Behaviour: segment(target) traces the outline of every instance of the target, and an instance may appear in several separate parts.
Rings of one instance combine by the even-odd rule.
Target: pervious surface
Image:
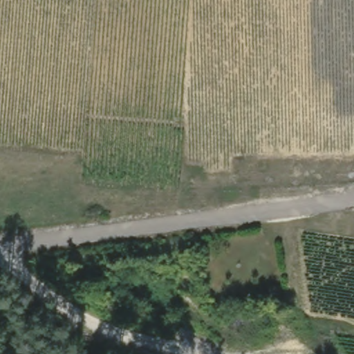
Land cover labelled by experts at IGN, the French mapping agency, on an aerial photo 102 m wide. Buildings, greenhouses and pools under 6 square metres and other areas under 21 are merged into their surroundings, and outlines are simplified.
[[[274,344],[268,344],[246,354],[313,354],[313,350],[296,340],[293,330],[285,325],[279,325],[279,330],[274,336]]]
[[[129,348],[134,353],[148,351],[151,354],[241,354],[234,353],[227,344],[223,344],[221,350],[212,340],[196,333],[194,347],[188,347],[180,342],[180,335],[167,342],[162,337],[144,336],[142,333],[131,335],[129,330],[122,328],[109,329],[105,319],[100,321],[87,313],[77,315],[77,308],[65,303],[62,296],[57,295],[53,289],[48,289],[44,282],[39,281],[24,267],[19,271],[12,268],[14,277],[17,278],[18,286],[25,290],[30,288],[32,296],[43,300],[48,308],[53,307],[55,317],[68,325],[77,337],[77,343],[87,344],[87,347],[98,344],[105,346],[109,343]]]

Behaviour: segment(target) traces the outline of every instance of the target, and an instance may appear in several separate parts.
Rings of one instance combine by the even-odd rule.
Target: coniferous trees
[[[105,346],[98,344],[87,347],[87,344],[77,343],[77,337],[68,325],[55,317],[53,307],[48,308],[43,300],[32,296],[30,288],[25,290],[18,286],[17,278],[14,277],[6,278],[0,272],[0,354],[151,354],[148,351],[134,353],[129,348],[109,343]]]

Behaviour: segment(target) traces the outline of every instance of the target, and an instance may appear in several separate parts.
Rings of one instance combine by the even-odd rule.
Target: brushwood
[[[223,344],[227,344],[234,353],[241,354],[246,354],[268,344],[274,344],[274,336],[279,330],[279,325],[277,319],[271,318],[270,314],[265,315],[260,322],[243,322],[241,314],[236,315],[236,318],[224,315],[223,318],[218,318],[214,308],[214,299],[209,295],[209,290],[213,289],[210,283],[210,254],[217,256],[221,248],[228,248],[230,238],[235,232],[238,232],[238,235],[254,234],[259,231],[261,223],[252,221],[234,227],[210,227],[203,230],[188,228],[152,236],[116,236],[77,245],[72,239],[68,239],[66,246],[40,246],[36,252],[25,252],[22,254],[24,267],[39,281],[44,282],[48,289],[53,289],[57,295],[62,296],[65,303],[77,308],[77,315],[87,313],[100,321],[105,319],[109,329],[122,328],[129,330],[131,335],[142,333],[144,336],[162,337],[167,342],[180,335],[180,342],[188,347],[194,347],[196,333],[212,340],[221,350]]]
[[[282,288],[288,289],[285,248],[282,236],[277,236],[274,243],[278,274],[275,277]]]

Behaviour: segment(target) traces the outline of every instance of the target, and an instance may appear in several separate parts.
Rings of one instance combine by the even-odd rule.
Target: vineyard
[[[339,337],[333,347],[336,348],[337,354],[354,354],[354,335],[336,335]]]
[[[232,160],[249,153],[257,153],[257,156],[263,159],[315,156],[318,159],[342,160],[346,156],[354,156],[354,0],[0,0],[0,144],[32,145],[50,148],[53,151],[84,149],[84,155],[75,160],[76,165],[83,167],[84,185],[100,191],[123,191],[127,195],[136,189],[148,191],[152,184],[156,183],[160,184],[160,189],[165,189],[166,185],[177,188],[180,184],[181,163],[185,158],[202,160],[202,167],[206,173],[218,173],[234,170]]]
[[[303,308],[304,313],[308,317],[335,319],[354,325],[354,239],[317,234],[314,231],[304,231],[301,235],[310,297],[310,304]]]

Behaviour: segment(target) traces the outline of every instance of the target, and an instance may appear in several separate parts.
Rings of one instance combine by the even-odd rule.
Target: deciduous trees
[[[218,318],[223,318],[224,315],[236,318],[236,315],[241,314],[243,322],[260,322],[265,315],[270,314],[271,318],[277,319],[279,325],[285,325],[286,318],[292,317],[293,311],[278,300],[227,300],[220,307],[214,308]]]

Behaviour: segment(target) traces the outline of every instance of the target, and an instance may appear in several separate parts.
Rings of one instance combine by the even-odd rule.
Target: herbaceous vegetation
[[[303,308],[310,304],[310,297],[301,235],[304,231],[314,231],[317,234],[354,239],[354,206],[283,223],[261,223],[259,231],[254,234],[238,235],[238,232],[235,232],[230,238],[228,248],[221,248],[217,256],[210,254],[210,283],[213,289],[209,290],[209,295],[214,299],[214,308],[220,307],[227,300],[278,300],[293,311],[292,317],[286,318],[285,325],[293,330],[296,340],[313,350],[313,354],[337,354],[336,348],[333,347],[339,337],[336,335],[354,335],[354,325],[335,319],[308,317],[304,313]],[[275,277],[278,274],[274,243],[277,236],[282,236],[285,248],[288,289],[282,288]]]
[[[100,191],[84,185],[83,167],[76,165],[75,160],[84,155],[84,149],[53,151],[50,148],[32,145],[0,144],[0,225],[4,225],[6,218],[12,214],[19,214],[19,217],[24,218],[25,227],[30,231],[58,225],[123,224],[171,216],[173,210],[212,210],[230,203],[311,194],[314,189],[324,191],[328,188],[354,184],[354,156],[346,156],[342,160],[318,159],[315,156],[263,159],[257,156],[257,153],[249,153],[232,160],[234,170],[218,173],[206,173],[202,167],[202,160],[185,158],[181,163],[180,184],[177,188],[166,185],[165,189],[160,189],[160,184],[156,183],[152,184],[148,191],[136,189],[127,195],[123,191]]]

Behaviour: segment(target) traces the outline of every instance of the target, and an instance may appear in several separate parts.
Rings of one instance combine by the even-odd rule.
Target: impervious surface
[[[72,239],[77,245],[116,236],[152,236],[188,228],[203,230],[210,227],[234,227],[252,221],[261,223],[283,223],[354,206],[354,184],[328,188],[324,191],[314,189],[311,194],[230,203],[212,210],[173,210],[171,216],[123,224],[58,225],[30,231],[25,227],[24,218],[19,217],[19,214],[12,214],[6,218],[4,225],[0,225],[0,272],[6,278],[14,277],[12,268],[19,271],[24,267],[22,254],[25,252],[36,252],[40,246],[66,246],[68,239]]]

